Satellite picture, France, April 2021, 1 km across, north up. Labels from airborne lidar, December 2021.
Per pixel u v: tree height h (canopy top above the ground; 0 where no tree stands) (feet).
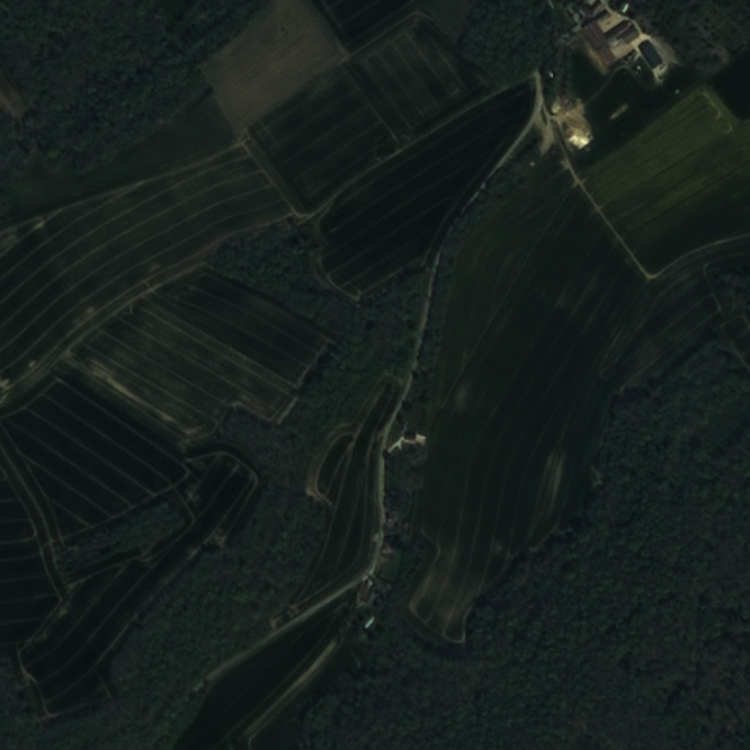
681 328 0
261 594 80
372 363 47
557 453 0
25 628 0
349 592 0
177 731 63
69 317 0
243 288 0
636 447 68
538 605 54
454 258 62
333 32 0
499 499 0
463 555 0
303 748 0
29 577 0
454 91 0
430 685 70
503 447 0
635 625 78
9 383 0
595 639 81
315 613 0
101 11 89
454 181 0
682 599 86
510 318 0
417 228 0
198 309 0
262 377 0
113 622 0
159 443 0
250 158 0
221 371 0
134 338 0
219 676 0
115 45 101
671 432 60
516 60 70
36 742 75
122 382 0
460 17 0
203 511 0
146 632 70
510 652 83
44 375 0
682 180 0
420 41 0
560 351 0
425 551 28
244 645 55
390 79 0
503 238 0
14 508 0
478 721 77
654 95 0
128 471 0
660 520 84
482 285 0
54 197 0
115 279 0
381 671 35
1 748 83
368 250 0
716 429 25
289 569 78
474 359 0
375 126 0
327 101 0
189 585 72
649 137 0
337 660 0
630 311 0
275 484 44
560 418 0
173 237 0
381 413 0
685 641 86
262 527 50
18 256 0
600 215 0
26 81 74
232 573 74
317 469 0
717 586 85
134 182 0
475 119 0
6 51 62
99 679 0
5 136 91
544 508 0
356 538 0
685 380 45
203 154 0
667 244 0
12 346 0
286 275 84
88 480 0
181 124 0
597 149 0
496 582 0
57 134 92
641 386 0
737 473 78
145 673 63
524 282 0
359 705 39
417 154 0
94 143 93
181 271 0
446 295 77
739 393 59
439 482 0
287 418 20
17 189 0
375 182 0
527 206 0
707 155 0
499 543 0
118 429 0
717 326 0
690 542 83
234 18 72
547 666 88
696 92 0
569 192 0
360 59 0
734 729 91
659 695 73
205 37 66
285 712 0
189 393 0
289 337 0
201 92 26
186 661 79
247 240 30
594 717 72
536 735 77
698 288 0
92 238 0
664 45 0
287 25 0
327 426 40
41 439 0
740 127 0
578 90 0
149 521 68
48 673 0
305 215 0
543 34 88
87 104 107
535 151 28
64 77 95
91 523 0
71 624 0
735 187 0
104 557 34
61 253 0
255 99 0
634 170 0
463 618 0
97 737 31
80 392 0
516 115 0
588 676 75
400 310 71
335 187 0
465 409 0
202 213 0
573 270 0
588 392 0
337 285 0
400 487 0
